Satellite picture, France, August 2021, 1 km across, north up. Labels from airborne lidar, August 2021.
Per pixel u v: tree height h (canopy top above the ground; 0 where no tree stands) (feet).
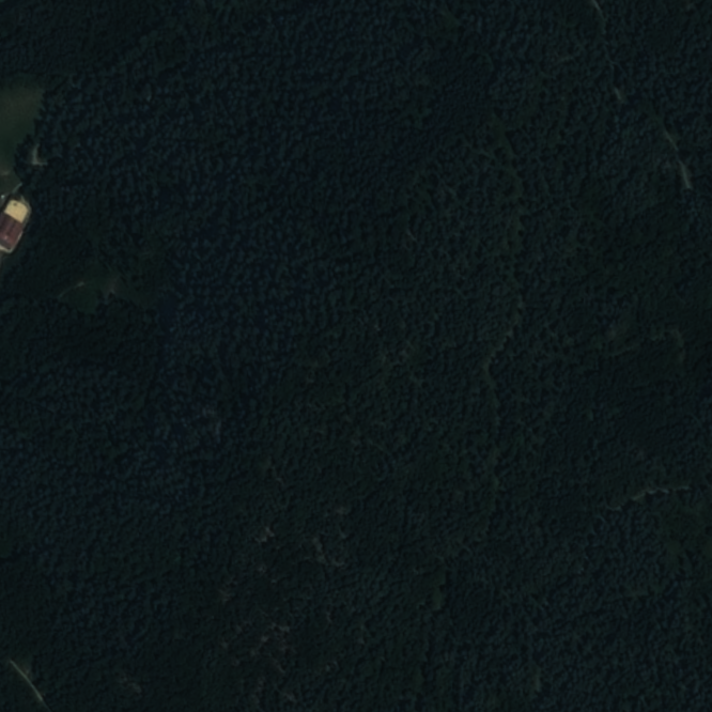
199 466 61
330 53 92
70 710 85
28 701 80
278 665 57
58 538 94
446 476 91
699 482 28
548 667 94
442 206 103
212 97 95
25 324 49
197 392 47
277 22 23
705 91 112
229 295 120
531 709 31
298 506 73
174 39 64
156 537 111
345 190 80
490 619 68
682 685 43
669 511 23
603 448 44
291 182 95
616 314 87
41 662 47
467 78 80
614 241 52
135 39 32
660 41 46
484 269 82
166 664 55
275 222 44
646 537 105
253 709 47
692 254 81
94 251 53
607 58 102
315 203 88
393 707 62
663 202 36
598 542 109
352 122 71
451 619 27
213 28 38
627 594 119
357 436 38
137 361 68
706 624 41
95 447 65
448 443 58
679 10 62
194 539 76
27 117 0
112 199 30
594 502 51
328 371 58
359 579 72
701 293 86
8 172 0
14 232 0
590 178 56
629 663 98
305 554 69
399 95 97
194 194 111
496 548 45
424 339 64
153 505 100
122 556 94
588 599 98
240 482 80
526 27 94
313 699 56
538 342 81
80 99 114
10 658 51
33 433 62
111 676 76
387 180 94
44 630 43
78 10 35
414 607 100
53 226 33
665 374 31
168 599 88
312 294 64
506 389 56
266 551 62
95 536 113
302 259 104
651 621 93
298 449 64
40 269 34
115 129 109
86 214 103
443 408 66
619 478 65
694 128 121
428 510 48
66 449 94
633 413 66
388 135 94
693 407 55
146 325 57
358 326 60
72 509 119
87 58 29
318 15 97
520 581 77
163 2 19
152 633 84
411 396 62
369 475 47
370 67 87
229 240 67
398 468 82
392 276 73
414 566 64
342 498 45
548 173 93
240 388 29
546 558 39
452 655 104
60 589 105
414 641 60
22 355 53
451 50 68
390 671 70
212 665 62
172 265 21
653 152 106
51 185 104
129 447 85
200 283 88
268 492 78
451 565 87
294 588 70
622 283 53
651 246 41
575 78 86
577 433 76
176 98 43
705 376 26
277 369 24
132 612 89
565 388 100
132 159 53
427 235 76
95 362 54
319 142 107
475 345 81
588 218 24
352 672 22
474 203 88
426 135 63
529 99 69
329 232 33
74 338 68
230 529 89
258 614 73
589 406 53
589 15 68
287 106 64
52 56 66
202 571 87
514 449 66
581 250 52
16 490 94
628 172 102
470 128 66
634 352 39
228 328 89
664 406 70
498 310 83
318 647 54
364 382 58
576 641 88
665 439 79
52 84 80
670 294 22
